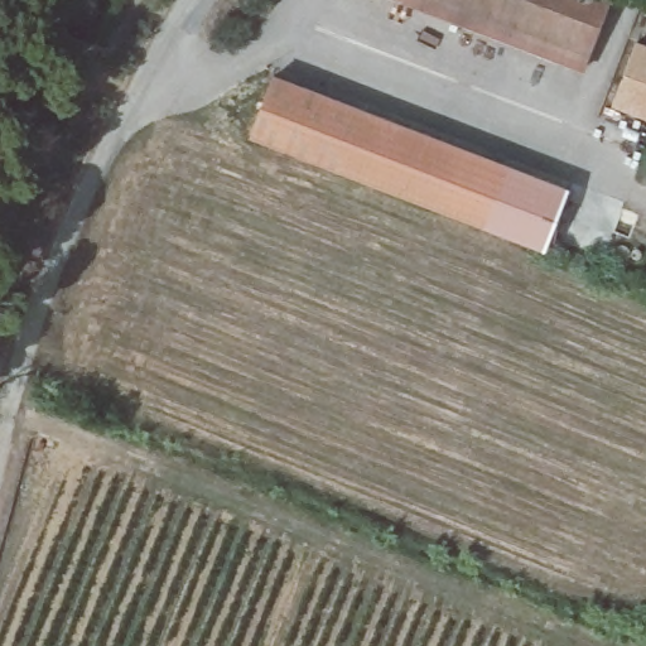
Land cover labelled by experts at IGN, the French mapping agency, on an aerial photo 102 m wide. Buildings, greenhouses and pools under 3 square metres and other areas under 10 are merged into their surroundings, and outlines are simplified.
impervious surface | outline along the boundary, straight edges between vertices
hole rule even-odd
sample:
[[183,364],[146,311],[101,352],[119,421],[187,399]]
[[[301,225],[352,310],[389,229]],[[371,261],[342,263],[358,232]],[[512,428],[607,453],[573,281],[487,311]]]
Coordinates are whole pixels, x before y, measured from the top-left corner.
[[275,63],[280,68],[278,78],[568,189],[570,184],[580,184],[585,189],[585,199],[570,225],[570,235],[580,247],[611,237],[646,242],[646,121],[641,116],[626,114],[613,101],[613,96],[623,81],[631,50],[636,45],[646,45],[646,0],[608,0],[611,8],[606,10],[606,20],[590,50],[593,66],[585,73],[580,73],[558,66],[545,56],[520,50],[495,35],[479,33],[474,28],[457,28],[454,23],[426,15],[414,0],[280,0],[267,13],[267,20],[257,40],[252,40],[247,48],[237,53],[214,53],[209,48],[212,28],[207,25],[207,18],[212,13],[217,15],[217,0],[134,0],[134,5],[141,5],[151,13],[146,23],[139,28],[146,58],[134,71],[129,91],[124,93],[124,103],[119,109],[119,126],[103,134],[93,151],[83,154],[86,167],[81,169],[73,184],[71,202],[50,204],[45,197],[38,202],[48,220],[53,220],[61,227],[58,237],[63,242],[56,242],[43,250],[35,247],[30,252],[25,275],[33,288],[35,310],[30,326],[20,326],[20,331],[15,333],[10,331],[10,336],[15,338],[15,348],[25,356],[20,366],[10,368],[8,376],[0,376],[0,482],[5,482],[5,462],[10,454],[15,411],[25,391],[28,379],[33,358],[38,353],[35,343],[50,331],[53,323],[53,313],[43,300],[63,290],[58,285],[58,265],[66,262],[68,252],[81,240],[78,235],[73,235],[73,230],[81,220],[91,220],[106,202],[109,184],[101,174],[101,167],[109,167],[119,146],[126,144],[141,126],[169,114],[197,111],[212,101],[220,101],[222,96],[235,93],[240,81],[257,71],[265,71],[267,63]]

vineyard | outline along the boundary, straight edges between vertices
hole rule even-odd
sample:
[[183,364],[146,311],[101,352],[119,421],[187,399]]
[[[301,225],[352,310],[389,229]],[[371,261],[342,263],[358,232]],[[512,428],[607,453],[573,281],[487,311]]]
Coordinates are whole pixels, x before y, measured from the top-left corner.
[[497,235],[490,235],[479,227],[449,220],[421,204],[371,189],[361,182],[353,182],[310,162],[280,154],[270,146],[252,141],[250,126],[257,114],[257,101],[262,101],[270,81],[278,78],[280,68],[275,63],[267,63],[265,71],[257,71],[240,81],[235,93],[222,96],[220,101],[212,101],[197,111],[169,114],[141,126],[126,144],[119,146],[109,167],[101,167],[101,174],[109,184],[106,202],[91,220],[81,220],[73,230],[73,235],[78,235],[81,240],[68,252],[66,262],[58,265],[58,285],[63,290],[43,300],[53,313],[53,323],[50,331],[35,343],[38,353],[33,358],[28,379],[56,381],[58,389],[81,391],[96,411],[119,414],[124,426],[129,429],[134,424],[134,416],[139,414],[172,429],[192,432],[194,437],[207,439],[212,444],[242,452],[267,467],[280,469],[273,479],[278,485],[273,492],[262,495],[252,485],[227,482],[207,469],[189,467],[182,457],[159,457],[149,449],[136,449],[103,434],[35,411],[30,394],[25,391],[15,411],[10,454],[5,462],[5,482],[0,482],[0,646],[613,646],[603,643],[601,633],[583,628],[580,623],[558,618],[548,606],[527,603],[510,590],[495,590],[487,585],[469,588],[469,583],[459,583],[447,573],[426,570],[424,565],[404,555],[386,553],[381,550],[381,545],[368,548],[366,540],[358,540],[341,525],[320,527],[305,512],[285,512],[278,507],[278,495],[283,492],[283,487],[300,490],[310,497],[328,502],[336,510],[366,517],[379,527],[391,530],[394,535],[404,535],[426,545],[442,545],[449,555],[472,553],[479,563],[492,558],[492,563],[497,565],[527,570],[530,575],[548,583],[553,590],[565,596],[578,598],[601,590],[626,601],[646,598],[646,305],[626,298],[626,293],[611,293],[588,285],[585,270],[578,265],[570,265],[568,270],[555,270],[555,275],[532,270],[525,265],[525,255],[530,250]]

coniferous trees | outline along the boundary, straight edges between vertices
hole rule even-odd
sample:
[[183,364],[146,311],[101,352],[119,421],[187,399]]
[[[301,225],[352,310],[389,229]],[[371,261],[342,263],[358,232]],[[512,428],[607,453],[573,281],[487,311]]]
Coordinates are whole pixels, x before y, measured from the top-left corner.
[[20,326],[30,326],[35,310],[33,288],[25,275],[30,252],[35,247],[43,250],[56,242],[63,242],[58,237],[61,227],[53,220],[48,220],[38,202],[45,197],[50,204],[71,202],[73,184],[81,169],[86,167],[83,154],[93,151],[103,134],[119,126],[119,109],[124,103],[124,93],[129,91],[134,71],[146,58],[139,28],[146,23],[151,13],[141,5],[134,5],[134,0],[0,0],[0,376],[8,376],[10,368],[20,366],[25,356],[15,348],[15,338],[10,336],[10,331],[15,333],[20,331]]

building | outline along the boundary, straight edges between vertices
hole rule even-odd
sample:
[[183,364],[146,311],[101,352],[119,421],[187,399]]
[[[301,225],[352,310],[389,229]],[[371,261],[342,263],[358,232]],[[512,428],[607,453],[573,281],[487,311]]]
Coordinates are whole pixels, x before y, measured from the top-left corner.
[[548,252],[553,242],[560,214],[568,202],[568,189],[278,78],[270,81],[262,101],[257,101],[257,114],[250,126],[252,141],[270,146],[280,154],[310,162],[353,182],[361,182],[371,189],[421,204],[449,220],[479,227],[490,235],[497,235],[530,250]]
[[646,45],[636,45],[631,50],[623,81],[613,96],[613,101],[626,114],[641,116],[646,121]]
[[590,50],[606,20],[606,10],[611,8],[608,0],[414,0],[426,15],[454,23],[457,28],[474,28],[479,33],[495,35],[520,50],[545,56],[558,66],[580,73],[585,73],[593,66]]

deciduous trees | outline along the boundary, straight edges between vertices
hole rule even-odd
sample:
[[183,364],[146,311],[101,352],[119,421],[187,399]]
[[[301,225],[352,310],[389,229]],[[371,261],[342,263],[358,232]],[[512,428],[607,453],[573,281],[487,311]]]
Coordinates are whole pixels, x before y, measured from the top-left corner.
[[525,255],[525,265],[532,270],[555,275],[555,270],[568,270],[570,265],[578,265],[585,270],[588,285],[611,293],[626,293],[626,298],[646,305],[646,242],[611,237],[580,247],[578,255],[568,255],[553,242],[548,252],[530,250]]
[[30,394],[35,411],[103,434],[109,429],[124,426],[119,414],[96,411],[81,391],[58,389],[56,381],[28,379],[25,391]]
[[252,40],[257,40],[267,20],[267,13],[280,0],[217,0],[217,15],[212,13],[207,18],[207,25],[212,28],[209,48],[214,53],[237,53],[247,48]]

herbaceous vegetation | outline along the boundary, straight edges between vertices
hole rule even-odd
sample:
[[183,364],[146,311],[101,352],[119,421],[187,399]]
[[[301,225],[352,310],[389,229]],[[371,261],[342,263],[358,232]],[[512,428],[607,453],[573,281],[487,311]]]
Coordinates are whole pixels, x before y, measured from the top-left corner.
[[568,202],[560,214],[553,242],[568,255],[578,255],[580,247],[570,235],[570,225],[585,199],[585,189],[580,184],[570,184],[568,189]]

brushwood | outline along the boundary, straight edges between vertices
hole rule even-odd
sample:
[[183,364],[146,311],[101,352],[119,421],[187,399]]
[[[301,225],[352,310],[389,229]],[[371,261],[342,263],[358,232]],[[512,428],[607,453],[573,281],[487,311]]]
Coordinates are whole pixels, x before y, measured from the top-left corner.
[[252,485],[262,495],[273,492],[278,485],[273,479],[280,469],[267,467],[242,452],[212,444],[207,439],[194,437],[192,432],[172,429],[139,414],[134,416],[134,424],[129,429],[124,426],[109,429],[103,434],[136,449],[149,449],[159,457],[182,457],[189,467],[207,469],[227,482]]
[[341,525],[358,540],[366,540],[368,548],[381,545],[381,550],[386,553],[404,555],[424,565],[426,570],[447,573],[459,583],[469,583],[469,588],[487,585],[495,590],[510,590],[527,603],[548,606],[558,618],[580,623],[583,628],[601,633],[603,643],[613,646],[646,646],[646,598],[626,601],[601,590],[578,598],[565,596],[553,590],[548,583],[530,575],[527,570],[497,565],[492,563],[492,558],[479,563],[472,553],[449,555],[442,545],[426,545],[404,535],[394,535],[391,530],[379,527],[366,517],[336,510],[328,502],[310,497],[300,490],[283,487],[283,492],[278,495],[278,507],[285,512],[305,512],[320,527]]

